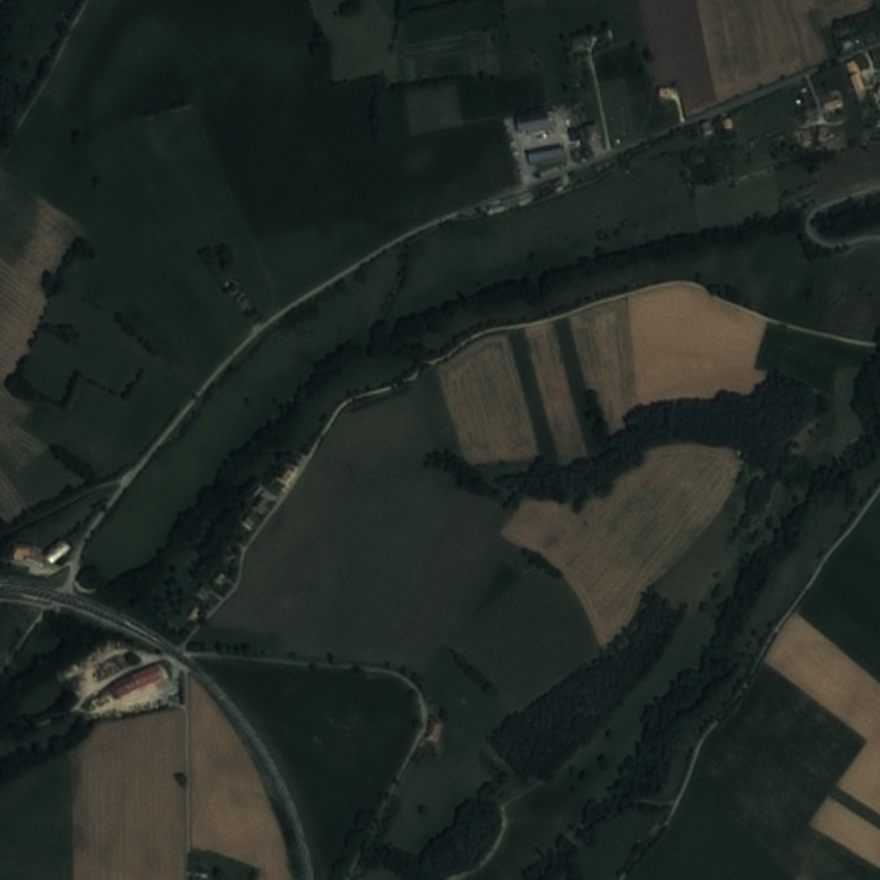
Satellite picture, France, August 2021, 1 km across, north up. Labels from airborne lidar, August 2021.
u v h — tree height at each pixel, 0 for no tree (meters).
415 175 0
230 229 0
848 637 0
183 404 0
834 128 0
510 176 0
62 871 0
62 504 11
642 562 0
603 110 0
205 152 0
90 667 0
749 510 13
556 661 0
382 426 0
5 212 0
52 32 0
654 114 0
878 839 0
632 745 0
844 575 0
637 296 0
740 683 8
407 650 0
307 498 0
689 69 0
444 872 14
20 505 0
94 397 0
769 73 0
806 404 10
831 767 0
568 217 0
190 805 0
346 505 0
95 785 0
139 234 0
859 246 0
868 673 0
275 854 0
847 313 0
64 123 0
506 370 0
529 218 0
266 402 0
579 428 0
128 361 0
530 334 0
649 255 16
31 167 0
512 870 0
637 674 11
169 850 0
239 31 0
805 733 0
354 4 14
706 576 0
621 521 0
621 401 0
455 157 0
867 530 0
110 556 0
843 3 0
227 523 18
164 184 0
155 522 0
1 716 24
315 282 0
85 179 0
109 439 0
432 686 0
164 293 0
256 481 12
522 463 0
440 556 0
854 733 0
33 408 0
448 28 0
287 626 0
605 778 0
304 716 0
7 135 15
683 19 0
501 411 0
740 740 0
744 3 0
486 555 0
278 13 0
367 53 0
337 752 0
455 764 0
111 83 0
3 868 0
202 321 0
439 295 0
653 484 0
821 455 0
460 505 0
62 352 0
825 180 0
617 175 0
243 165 0
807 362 0
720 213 0
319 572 0
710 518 0
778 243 0
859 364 0
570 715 16
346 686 0
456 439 0
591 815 13
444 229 9
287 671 0
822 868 0
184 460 0
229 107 0
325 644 0
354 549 0
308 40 0
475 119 0
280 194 0
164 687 0
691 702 13
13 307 0
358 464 0
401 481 0
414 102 0
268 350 0
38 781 0
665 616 9
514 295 21
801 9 0
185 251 0
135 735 0
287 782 0
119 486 0
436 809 0
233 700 0
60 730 0
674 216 0
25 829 0
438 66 0
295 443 0
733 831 0
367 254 0
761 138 0
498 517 0
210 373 0
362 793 0
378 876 0
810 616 0
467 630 0
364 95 0
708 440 11
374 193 0
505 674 0
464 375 0
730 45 0
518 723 12
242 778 0
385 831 7
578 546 0
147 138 0
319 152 0
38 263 0
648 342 0
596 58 0
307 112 0
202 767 0
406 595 0
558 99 0
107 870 0
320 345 0
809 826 0
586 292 0
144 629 0
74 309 0
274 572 0
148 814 0
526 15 0
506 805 0
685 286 0
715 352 0
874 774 0
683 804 0
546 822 0
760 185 0
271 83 0
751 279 0
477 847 11
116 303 0
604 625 0
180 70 0
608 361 0
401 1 12
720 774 0
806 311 0
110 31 0
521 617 0
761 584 13
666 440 15
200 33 0
